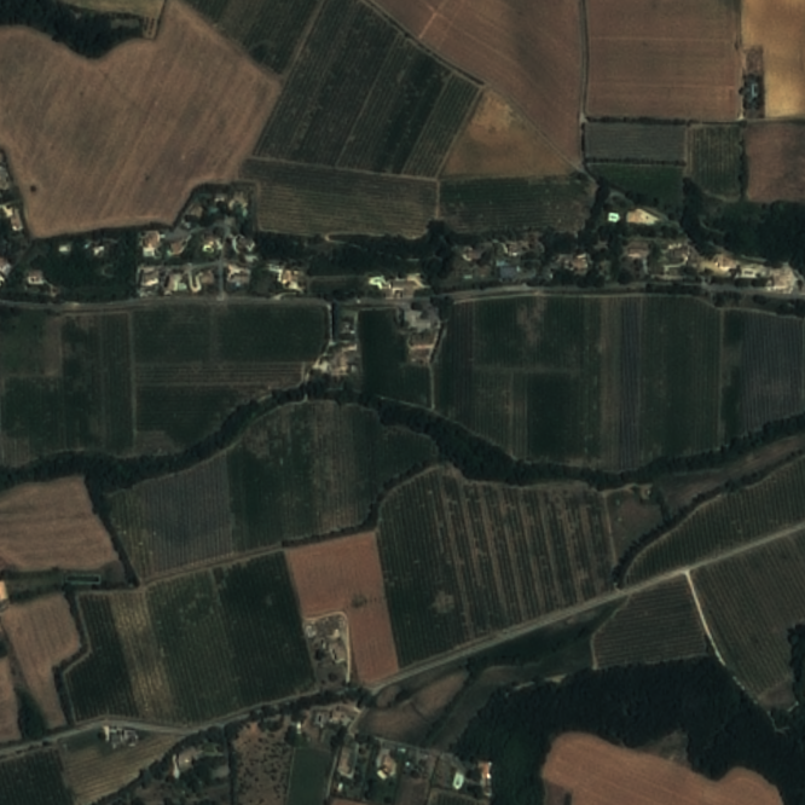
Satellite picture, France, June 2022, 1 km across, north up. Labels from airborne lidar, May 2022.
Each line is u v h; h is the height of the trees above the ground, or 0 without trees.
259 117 0
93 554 0
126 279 11
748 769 6
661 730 14
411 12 0
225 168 0
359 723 0
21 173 0
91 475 13
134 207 0
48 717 0
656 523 0
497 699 10
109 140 0
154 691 0
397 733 0
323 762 0
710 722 12
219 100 0
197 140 0
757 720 17
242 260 6
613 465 0
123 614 0
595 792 0
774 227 15
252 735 0
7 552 0
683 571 0
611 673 13
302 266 14
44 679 0
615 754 0
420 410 6
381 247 16
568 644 6
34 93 0
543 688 9
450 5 0
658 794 0
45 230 0
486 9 0
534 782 11
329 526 0
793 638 15
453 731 0
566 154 0
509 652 0
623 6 0
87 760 0
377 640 0
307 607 0
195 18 0
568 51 0
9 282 11
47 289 8
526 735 12
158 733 0
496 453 12
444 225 13
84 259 10
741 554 0
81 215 0
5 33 0
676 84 0
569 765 0
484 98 0
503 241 13
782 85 0
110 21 16
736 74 0
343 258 8
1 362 0
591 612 0
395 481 11
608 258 14
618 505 0
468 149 0
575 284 19
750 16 0
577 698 13
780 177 0
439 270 8
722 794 0
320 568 0
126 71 0
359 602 0
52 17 14
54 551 0
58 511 0
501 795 9
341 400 13
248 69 0
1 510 0
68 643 0
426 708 0
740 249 12
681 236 7
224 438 12
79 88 0
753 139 0
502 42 0
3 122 0
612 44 0
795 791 16
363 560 0
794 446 0
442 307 13
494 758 11
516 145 0
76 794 0
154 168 0
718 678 20
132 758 0
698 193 9
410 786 0
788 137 0
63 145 0
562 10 0
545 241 13
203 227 9
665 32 0
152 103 0
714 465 7
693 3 0
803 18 0
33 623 0
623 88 0
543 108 0
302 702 12
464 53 0
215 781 7
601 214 10
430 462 9
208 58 0
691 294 14
